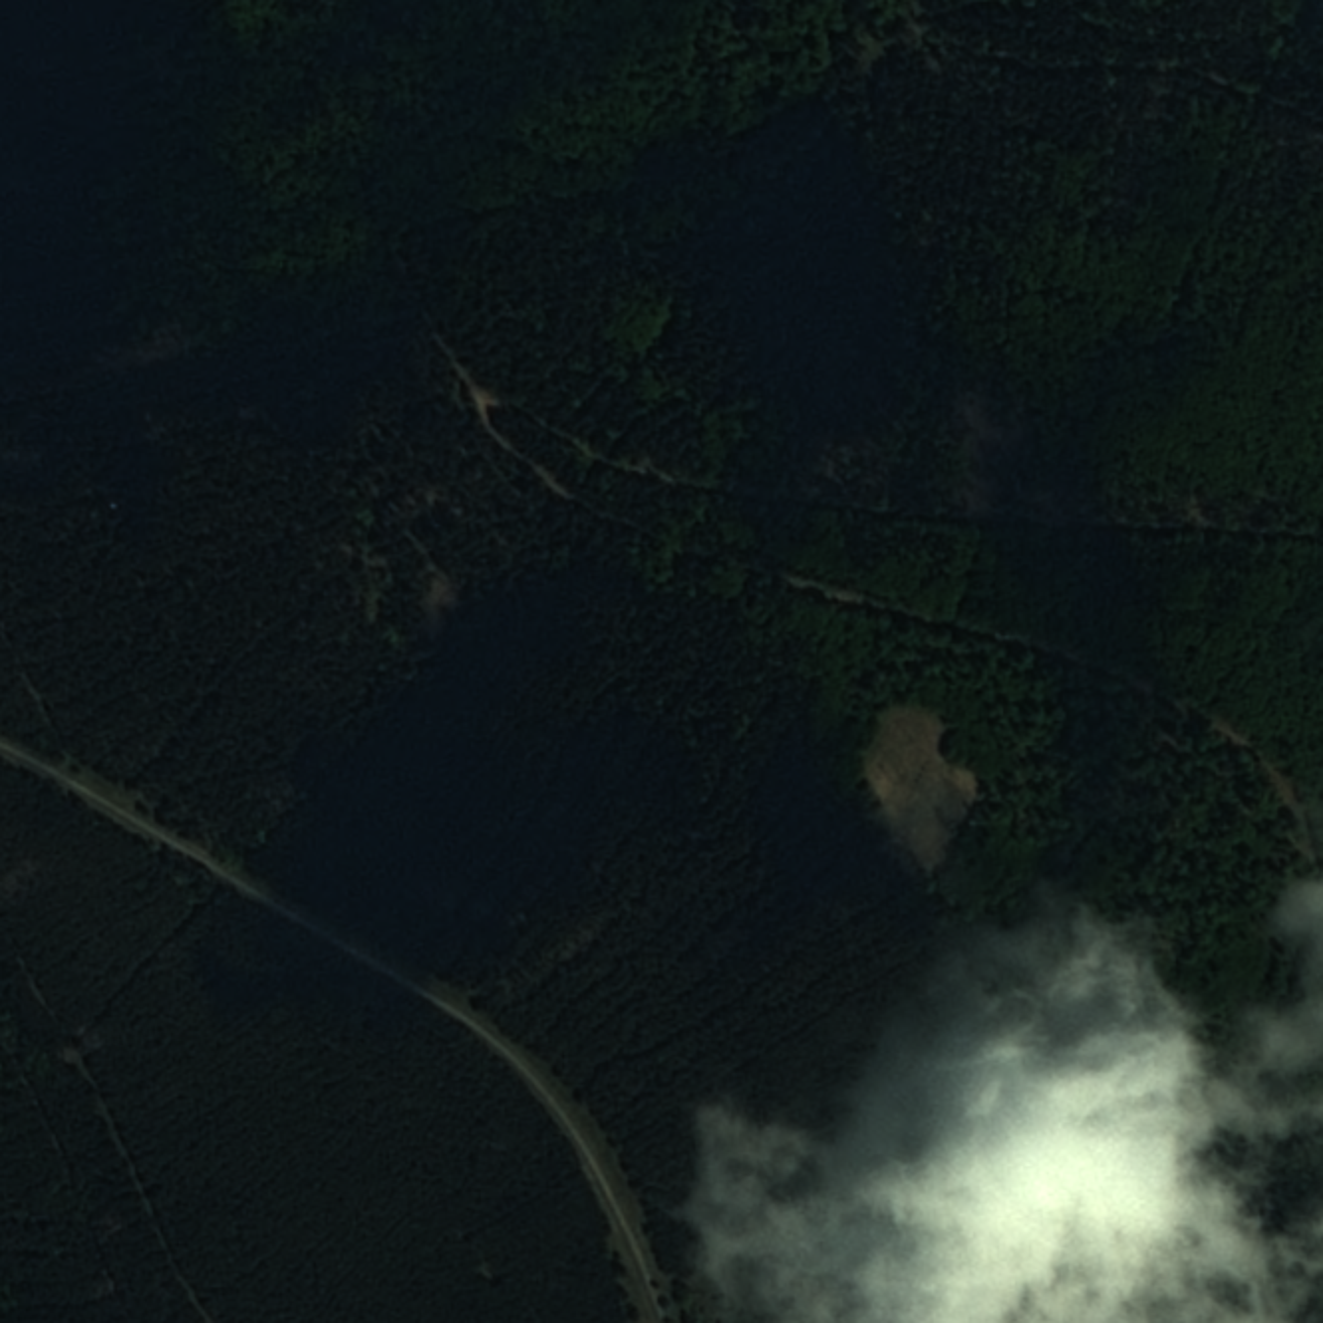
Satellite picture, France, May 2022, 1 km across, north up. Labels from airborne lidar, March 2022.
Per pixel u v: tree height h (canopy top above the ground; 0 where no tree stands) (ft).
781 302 89
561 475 62
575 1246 48
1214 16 65
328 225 62
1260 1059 36
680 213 61
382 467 85
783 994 55
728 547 69
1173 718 88
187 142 64
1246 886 80
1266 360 59
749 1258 42
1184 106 56
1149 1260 48
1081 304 62
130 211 62
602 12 75
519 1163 51
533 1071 0
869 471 74
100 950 46
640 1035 44
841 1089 48
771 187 45
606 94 87
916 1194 31
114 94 68
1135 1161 35
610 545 68
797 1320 29
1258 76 60
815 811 68
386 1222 48
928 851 0
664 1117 47
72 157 67
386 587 50
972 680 77
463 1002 0
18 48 62
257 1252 55
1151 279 65
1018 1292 34
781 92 72
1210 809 83
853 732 42
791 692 56
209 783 73
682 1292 38
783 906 57
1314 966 67
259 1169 45
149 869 50
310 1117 49
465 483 96
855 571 57
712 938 53
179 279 82
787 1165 40
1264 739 69
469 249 71
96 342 54
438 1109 52
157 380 70
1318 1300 34
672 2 73
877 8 90
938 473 72
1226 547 42
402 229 47
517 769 70
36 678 54
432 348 65
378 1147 48
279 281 74
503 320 68
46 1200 51
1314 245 60
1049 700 27
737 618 55
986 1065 49
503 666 62
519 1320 33
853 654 47
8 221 52
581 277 70
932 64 81
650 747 61
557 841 56
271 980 45
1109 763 19
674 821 37
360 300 67
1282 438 55
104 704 54
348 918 55
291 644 71
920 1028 47
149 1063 47
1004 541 55
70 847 42
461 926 53
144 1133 50
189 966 45
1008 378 67
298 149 69
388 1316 50
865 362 77
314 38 83
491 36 77
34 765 0
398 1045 44
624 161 73
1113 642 58
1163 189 59
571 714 65
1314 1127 38
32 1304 52
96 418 56
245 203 69
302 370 68
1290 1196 47
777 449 76
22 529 64
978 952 41
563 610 63
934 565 63
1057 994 25
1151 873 85
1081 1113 30
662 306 49
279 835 62
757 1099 51
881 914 55
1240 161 68
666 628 71
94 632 70
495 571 62
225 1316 47
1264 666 68
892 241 63
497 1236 47
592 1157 0
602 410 55
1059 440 52
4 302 63
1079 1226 28
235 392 68
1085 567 37
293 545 71
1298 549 48
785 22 87
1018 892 26
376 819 52
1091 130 66
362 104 72
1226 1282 40
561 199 46
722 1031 53
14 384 58
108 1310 52
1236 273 65
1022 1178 28
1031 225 67
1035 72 78
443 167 61
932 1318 27
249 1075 51
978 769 38
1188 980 39
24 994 46
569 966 30
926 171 82
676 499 59
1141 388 62
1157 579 52
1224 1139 38
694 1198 43
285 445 69
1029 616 61
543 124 76
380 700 77
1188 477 64
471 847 62
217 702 70
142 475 67
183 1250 43
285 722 75
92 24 69
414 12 88
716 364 70
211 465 77
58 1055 54
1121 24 73
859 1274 29
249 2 75
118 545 59
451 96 82
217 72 63
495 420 56
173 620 67
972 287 69
